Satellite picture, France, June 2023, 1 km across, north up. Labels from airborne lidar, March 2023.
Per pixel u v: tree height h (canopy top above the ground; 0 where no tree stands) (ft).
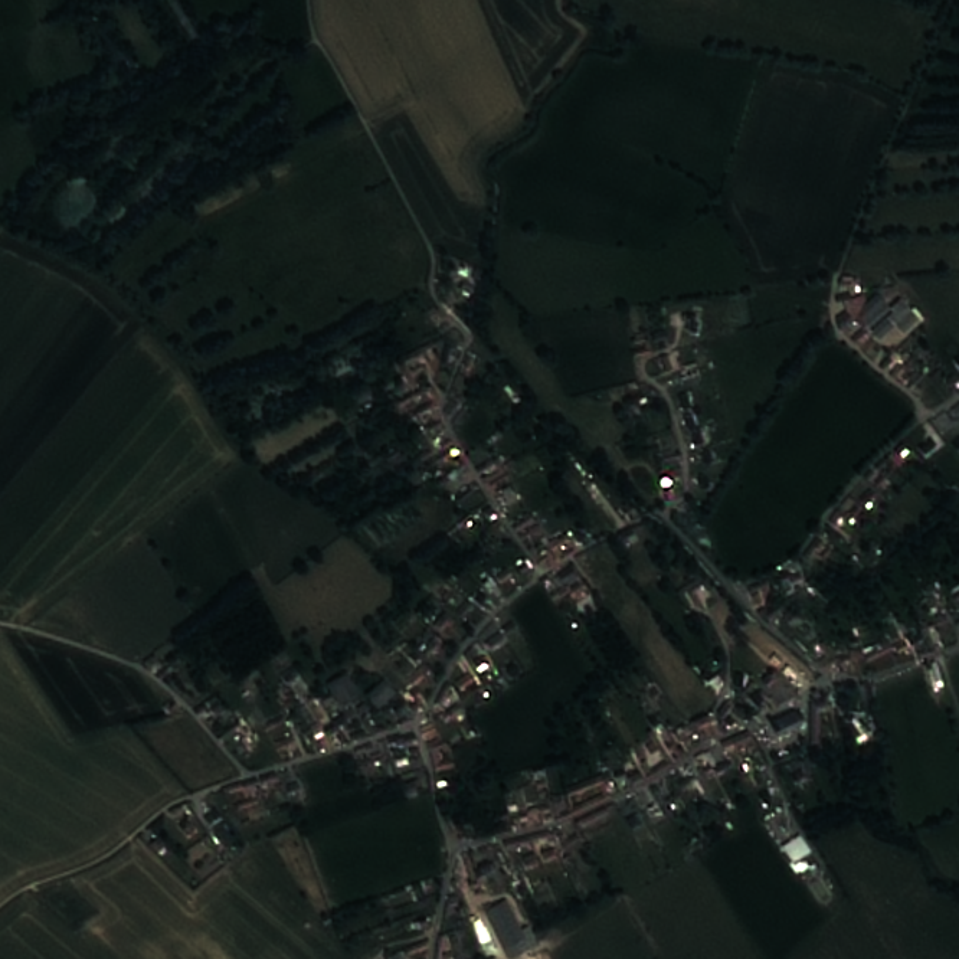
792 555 29
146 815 0
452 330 0
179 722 0
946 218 0
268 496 0
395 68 0
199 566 0
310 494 39
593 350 0
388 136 0
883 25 0
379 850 0
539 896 0
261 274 0
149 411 0
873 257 0
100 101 72
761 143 0
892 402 0
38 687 0
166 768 0
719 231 0
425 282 0
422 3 0
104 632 0
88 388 0
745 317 0
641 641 0
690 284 0
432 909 0
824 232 0
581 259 0
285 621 0
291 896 0
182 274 0
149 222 33
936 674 0
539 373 0
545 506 0
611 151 0
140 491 0
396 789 39
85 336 0
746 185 0
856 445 0
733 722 30
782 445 0
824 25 0
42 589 0
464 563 40
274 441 0
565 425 55
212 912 0
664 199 0
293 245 0
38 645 0
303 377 23
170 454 0
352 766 40
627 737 0
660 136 0
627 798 0
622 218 0
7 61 0
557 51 0
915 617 20
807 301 0
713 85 0
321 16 0
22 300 0
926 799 0
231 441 0
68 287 0
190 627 36
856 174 0
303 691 0
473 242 0
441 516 0
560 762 38
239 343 0
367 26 0
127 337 0
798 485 0
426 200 0
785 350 0
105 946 0
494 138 0
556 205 0
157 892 0
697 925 0
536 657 0
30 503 0
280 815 0
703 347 0
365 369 65
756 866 0
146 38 0
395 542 0
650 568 0
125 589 0
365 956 0
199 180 75
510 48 0
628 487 73
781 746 0
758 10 0
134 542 0
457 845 0
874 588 54
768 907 0
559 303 0
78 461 0
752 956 0
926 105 38
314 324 0
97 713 0
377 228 0
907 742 0
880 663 0
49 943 0
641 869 0
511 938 0
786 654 0
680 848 0
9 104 0
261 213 0
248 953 0
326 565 0
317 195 0
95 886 0
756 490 0
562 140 0
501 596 0
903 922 0
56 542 0
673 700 0
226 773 0
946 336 0
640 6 0
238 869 0
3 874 0
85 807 0
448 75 0
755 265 0
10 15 0
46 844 0
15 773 0
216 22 53
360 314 53
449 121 0
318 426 0
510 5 0
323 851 0
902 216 0
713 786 0
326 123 47
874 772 64
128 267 0
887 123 0
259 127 78
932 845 0
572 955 0
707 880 0
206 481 0
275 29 0
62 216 0
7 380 0
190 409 0
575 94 0
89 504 0
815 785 0
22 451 0
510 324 0
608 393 0
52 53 0
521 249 0
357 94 0
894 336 0
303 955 0
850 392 0
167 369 0
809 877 0
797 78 0
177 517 0
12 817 0
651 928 0
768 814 0
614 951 0
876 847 0
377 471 0
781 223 0
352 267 0
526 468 0
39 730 0
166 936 0
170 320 0
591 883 0
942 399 0
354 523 43
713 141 0
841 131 0
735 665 0
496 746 0
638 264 0
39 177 37
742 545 0
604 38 0
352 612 0
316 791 0
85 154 76
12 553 0
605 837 0
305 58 65
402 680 0
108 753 0
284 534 0
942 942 0
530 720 0
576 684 0
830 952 0
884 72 0
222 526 0
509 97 0
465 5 0
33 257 0
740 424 0
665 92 0
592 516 0
